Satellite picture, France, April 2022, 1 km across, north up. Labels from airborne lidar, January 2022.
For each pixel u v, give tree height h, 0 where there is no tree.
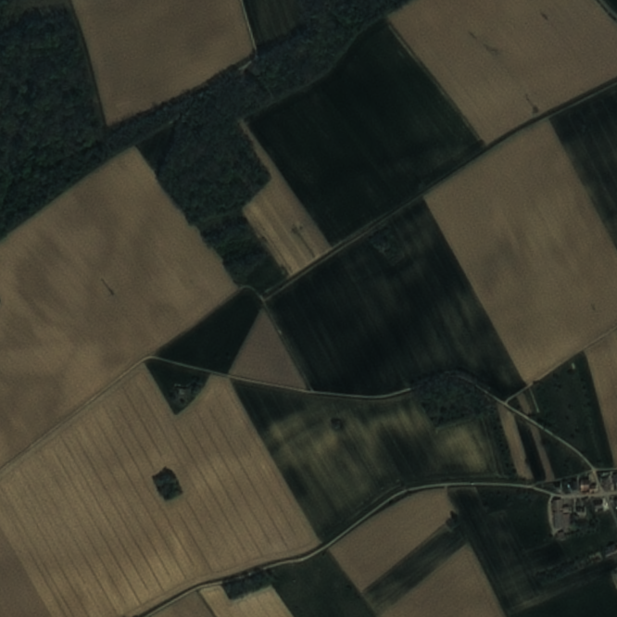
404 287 0
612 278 0
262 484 0
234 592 18
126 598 0
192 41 0
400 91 0
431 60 0
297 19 0
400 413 0
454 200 0
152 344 0
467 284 0
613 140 0
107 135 17
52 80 34
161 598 0
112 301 0
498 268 0
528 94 0
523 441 0
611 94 0
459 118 0
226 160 28
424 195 0
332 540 0
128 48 0
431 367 0
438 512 0
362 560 0
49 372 0
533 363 0
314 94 0
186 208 19
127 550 0
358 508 0
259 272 0
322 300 0
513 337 0
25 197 16
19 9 0
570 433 0
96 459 0
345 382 0
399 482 0
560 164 0
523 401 0
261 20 0
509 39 0
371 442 0
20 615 0
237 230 24
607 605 0
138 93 0
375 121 0
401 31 0
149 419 0
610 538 0
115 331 0
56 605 0
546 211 0
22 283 0
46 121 34
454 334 0
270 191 0
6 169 28
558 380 6
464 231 0
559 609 0
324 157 0
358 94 0
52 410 0
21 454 0
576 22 0
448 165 0
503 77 0
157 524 0
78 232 0
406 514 0
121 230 0
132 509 0
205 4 0
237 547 0
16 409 0
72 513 0
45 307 0
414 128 0
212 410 0
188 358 0
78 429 0
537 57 0
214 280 0
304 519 0
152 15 0
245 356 0
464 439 0
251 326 0
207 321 0
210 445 0
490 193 0
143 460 0
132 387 0
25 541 0
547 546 0
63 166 8
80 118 36
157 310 0
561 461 0
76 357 0
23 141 30
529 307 0
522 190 0
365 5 30
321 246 0
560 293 0
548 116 0
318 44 33
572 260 0
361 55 0
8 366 0
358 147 0
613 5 0
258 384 0
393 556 0
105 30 0
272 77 28
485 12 0
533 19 0
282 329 0
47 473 0
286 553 0
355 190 0
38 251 0
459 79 0
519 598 0
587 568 0
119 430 0
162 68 0
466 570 0
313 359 0
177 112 16
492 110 0
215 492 0
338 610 0
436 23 0
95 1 0
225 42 0
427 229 0
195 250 0
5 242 0
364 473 0
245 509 0
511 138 0
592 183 0
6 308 0
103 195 0
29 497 0
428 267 0
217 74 0
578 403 0
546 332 0
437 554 0
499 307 0
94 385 0
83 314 0
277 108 0
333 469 0
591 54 0
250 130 0
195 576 0
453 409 10
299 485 0
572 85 0
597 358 0
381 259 0
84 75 24
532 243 0
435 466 0
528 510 0
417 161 0
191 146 30
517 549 0
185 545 0
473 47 0
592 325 0
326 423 0
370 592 0
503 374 0
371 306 0
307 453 0
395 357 0
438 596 0
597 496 0
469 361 0
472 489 0
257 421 0
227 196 23
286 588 0
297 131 0
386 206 0
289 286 0
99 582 0
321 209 0
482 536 0
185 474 0
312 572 0
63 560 0
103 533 0
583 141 0
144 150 0
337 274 0
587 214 0
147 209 0
